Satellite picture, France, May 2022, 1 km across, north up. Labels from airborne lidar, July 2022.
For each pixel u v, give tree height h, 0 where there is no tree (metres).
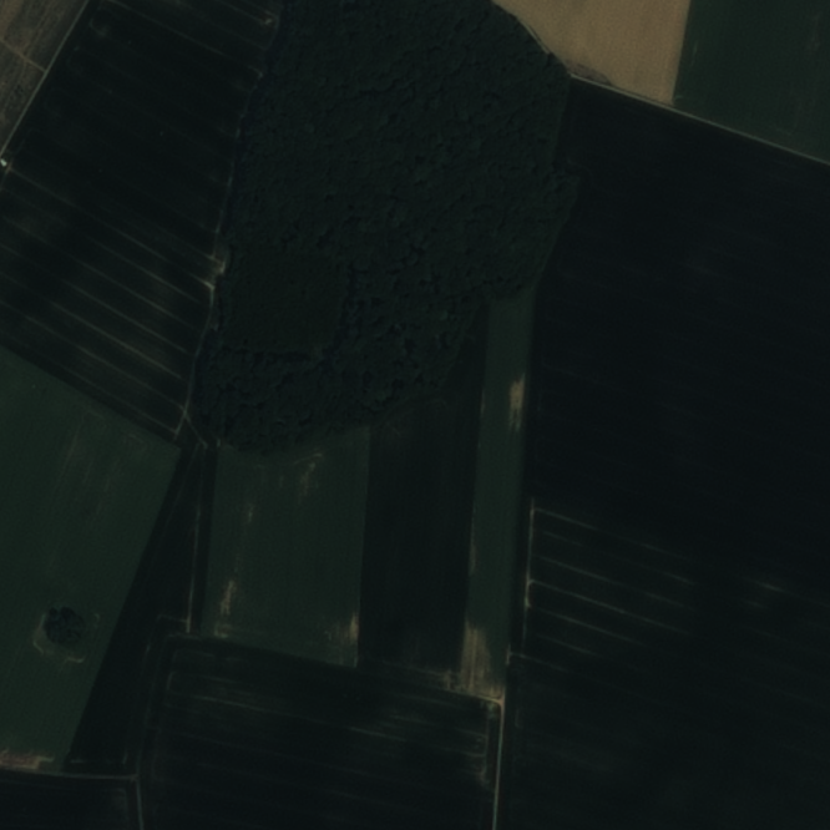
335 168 35
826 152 0
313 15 28
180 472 0
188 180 0
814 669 0
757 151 0
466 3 27
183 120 0
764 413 0
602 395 0
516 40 28
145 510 0
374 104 26
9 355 0
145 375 0
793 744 0
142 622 0
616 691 0
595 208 0
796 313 0
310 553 0
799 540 0
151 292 0
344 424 29
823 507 0
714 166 0
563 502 0
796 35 0
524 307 0
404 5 29
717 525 0
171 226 0
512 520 0
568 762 0
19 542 0
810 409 0
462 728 0
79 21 0
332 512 0
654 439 0
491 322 0
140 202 0
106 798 0
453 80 35
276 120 30
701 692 0
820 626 0
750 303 0
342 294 10
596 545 0
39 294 0
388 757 0
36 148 0
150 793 0
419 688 0
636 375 0
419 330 35
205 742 0
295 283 9
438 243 33
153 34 0
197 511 0
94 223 0
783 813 0
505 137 30
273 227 30
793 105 0
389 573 0
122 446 0
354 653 0
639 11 0
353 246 32
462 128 30
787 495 0
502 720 0
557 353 0
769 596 0
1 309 0
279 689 0
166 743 0
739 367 0
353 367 32
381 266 33
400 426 0
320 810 0
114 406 0
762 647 0
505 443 0
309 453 0
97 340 0
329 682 0
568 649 0
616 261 0
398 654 0
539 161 30
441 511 0
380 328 33
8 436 0
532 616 0
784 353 0
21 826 0
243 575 0
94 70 0
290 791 0
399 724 0
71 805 0
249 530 0
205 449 0
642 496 0
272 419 28
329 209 31
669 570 0
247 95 0
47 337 0
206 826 0
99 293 0
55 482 0
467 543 0
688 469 0
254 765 0
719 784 0
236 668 0
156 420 0
